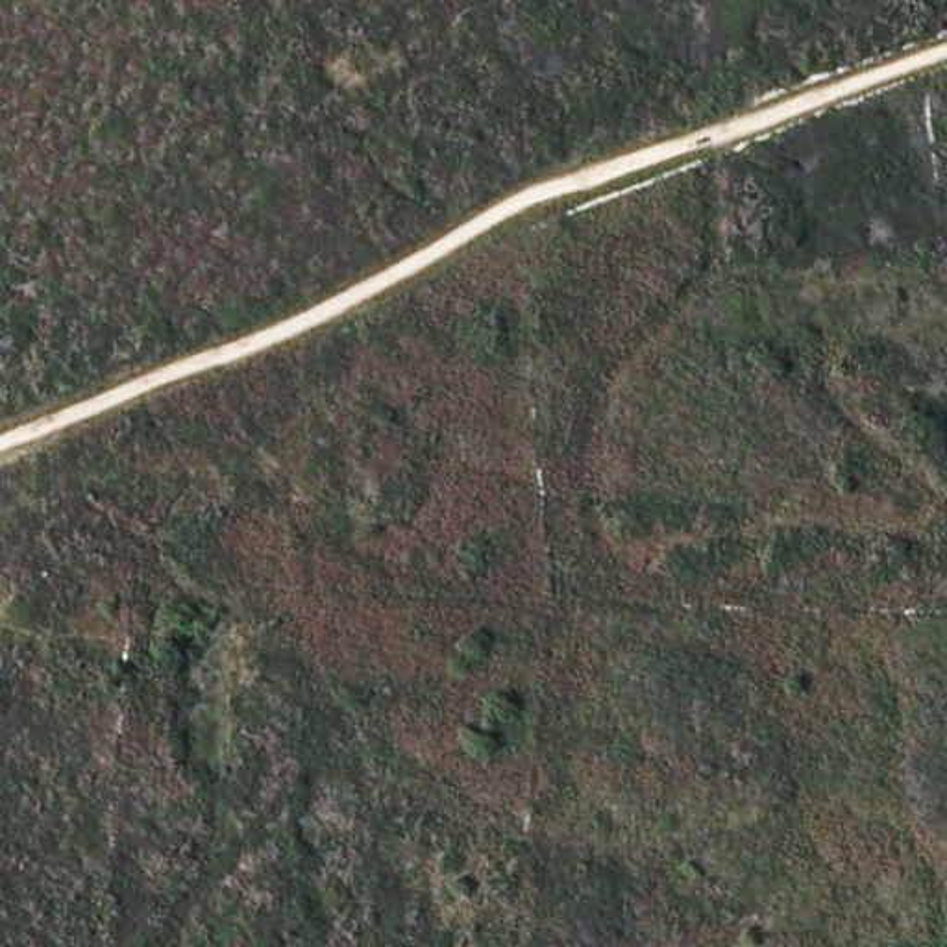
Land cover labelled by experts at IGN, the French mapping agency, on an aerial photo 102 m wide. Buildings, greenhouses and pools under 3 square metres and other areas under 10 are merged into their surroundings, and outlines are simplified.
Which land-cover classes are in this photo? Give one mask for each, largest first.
<instances>
[{"label":"herbaceous vegetation","instance_id":"1","mask_svg":"<svg viewBox=\"0 0 947 947\"><path fill-rule=\"evenodd\" d=\"M892 15V22L903 30V7H892L888 0H0V433L55 414L89 396H100L174 359L285 322L366 281L370 274L414 255L418 248L433 244L437 237L451 233L455 226L470 222L474 215L507 200L518 189L684 137L692 129L736 115L777 107L803 92V81L810 74L843 67V44L832 30L836 22L855 18L858 26H884V18ZM903 392L940 400L947 392V59L906 78L884 81L877 89H866L858 96H847L843 104H829L814 115H799L784 126H773L762 141L740 137L721 148L684 152L655 166L610 178L603 185L533 203L510 215L507 222L485 229L481 237L466 240L451 255L437 259L433 266L411 274L407 281L363 300L340 318H329L240 363L170 381L155 392L137 396L133 403H122L115 411L67 425L55 437L18 444L0 455V947H947V474L921 455L917 444L925 433V418L910 414Z\"/></svg>","mask_w":947,"mask_h":947},{"label":"pervious surface","instance_id":"2","mask_svg":"<svg viewBox=\"0 0 947 947\"><path fill-rule=\"evenodd\" d=\"M947 59V48L932 44L914 55L843 78L829 89L803 92L777 107L736 115L692 129L684 137L518 189L507 200L474 215L470 222L455 226L451 233L437 237L433 244L418 248L414 255L370 274L366 281L285 322L174 359L100 396H89L55 414L0 433V455L18 444L55 437L67 425L115 411L122 403H133L137 396L155 392L170 381L240 363L329 318H340L363 300L407 281L411 274L433 266L437 259L451 255L466 240L481 237L485 229L507 222L510 215L533 203L603 185L610 178L655 166L684 152L721 148L740 137L762 141L773 126H784L799 115H814L829 104H843L847 96H858L866 89H877L884 81L906 78Z\"/></svg>","mask_w":947,"mask_h":947},{"label":"bare soil","instance_id":"3","mask_svg":"<svg viewBox=\"0 0 947 947\"><path fill-rule=\"evenodd\" d=\"M892 7H903V30L892 22V15L884 18V26H858L855 18L836 22L832 30L843 44V67L810 74L803 81V92L829 89L843 78L914 55L932 44L947 48V0H888Z\"/></svg>","mask_w":947,"mask_h":947},{"label":"brushwood","instance_id":"4","mask_svg":"<svg viewBox=\"0 0 947 947\"><path fill-rule=\"evenodd\" d=\"M910 414L925 418V433L917 444L921 455L947 474V392L940 400L903 392Z\"/></svg>","mask_w":947,"mask_h":947}]
</instances>
